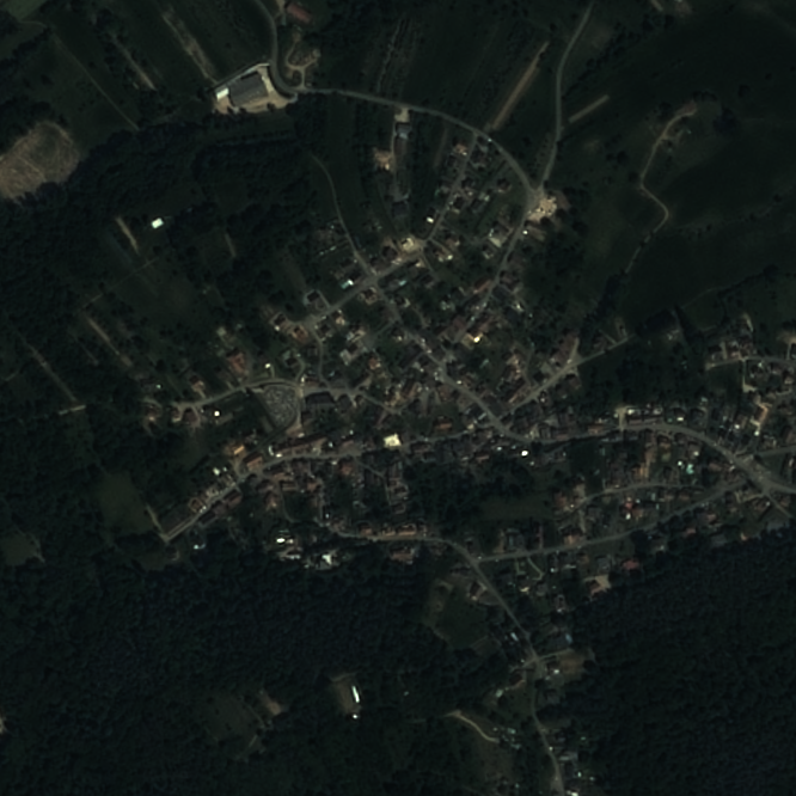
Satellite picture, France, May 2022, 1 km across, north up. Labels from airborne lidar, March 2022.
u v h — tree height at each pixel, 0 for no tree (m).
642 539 19
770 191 0
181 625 27
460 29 0
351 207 0
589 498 0
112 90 0
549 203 0
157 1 0
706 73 0
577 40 0
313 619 17
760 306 0
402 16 11
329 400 0
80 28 0
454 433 6
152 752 17
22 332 12
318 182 0
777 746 28
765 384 0
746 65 0
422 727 6
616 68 8
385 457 7
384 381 0
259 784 24
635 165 0
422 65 0
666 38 0
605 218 0
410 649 19
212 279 16
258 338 18
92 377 16
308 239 6
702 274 0
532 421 0
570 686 8
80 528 18
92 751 23
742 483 0
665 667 28
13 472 19
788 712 29
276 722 10
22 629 24
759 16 0
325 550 11
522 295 0
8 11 0
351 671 13
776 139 0
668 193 0
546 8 0
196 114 0
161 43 0
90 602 23
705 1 0
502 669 15
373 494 9
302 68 0
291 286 0
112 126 0
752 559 24
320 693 16
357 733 17
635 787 27
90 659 27
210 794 15
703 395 7
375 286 0
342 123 0
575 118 0
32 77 0
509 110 0
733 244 0
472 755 11
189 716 12
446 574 0
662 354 0
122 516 0
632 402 13
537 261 7
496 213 0
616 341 0
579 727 14
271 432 0
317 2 0
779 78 0
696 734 26
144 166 18
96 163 17
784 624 21
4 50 0
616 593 8
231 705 0
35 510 20
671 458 0
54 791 22
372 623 22
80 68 0
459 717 0
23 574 19
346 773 25
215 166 23
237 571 14
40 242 17
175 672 18
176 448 19
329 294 0
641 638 26
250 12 0
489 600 0
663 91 0
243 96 0
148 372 0
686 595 26
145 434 15
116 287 0
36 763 22
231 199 0
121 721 21
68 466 20
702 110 0
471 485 15
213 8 0
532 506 0
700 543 17
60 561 21
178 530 0
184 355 7
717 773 30
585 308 0
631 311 0
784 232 0
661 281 0
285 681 15
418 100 0
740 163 0
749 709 30
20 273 13
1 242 21
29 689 29
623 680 24
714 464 0
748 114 0
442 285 9
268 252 17
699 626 25
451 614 0
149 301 0
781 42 0
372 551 12
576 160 0
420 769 9
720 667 25
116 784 23
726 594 23
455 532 7
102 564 22
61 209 16
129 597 20
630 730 31
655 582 17
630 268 0
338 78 0
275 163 15
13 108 16
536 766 9
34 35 0
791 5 0
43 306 15
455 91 0
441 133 0
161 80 0
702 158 0
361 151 5
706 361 0
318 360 7
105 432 16
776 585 25
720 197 0
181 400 8
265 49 0
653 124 0
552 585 0
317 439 12
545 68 0
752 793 26
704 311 0
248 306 17
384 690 12
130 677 17
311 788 23
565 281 13
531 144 14
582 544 0
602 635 18
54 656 29
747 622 22
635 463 8
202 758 18
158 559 0
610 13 0
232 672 20
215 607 15
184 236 15
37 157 0
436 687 8
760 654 20
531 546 9
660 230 0
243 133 0
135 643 26
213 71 0
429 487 7
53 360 7
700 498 0
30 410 13
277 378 0
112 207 17
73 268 15
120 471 14
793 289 0
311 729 19
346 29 17
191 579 13
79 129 0
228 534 9
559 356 0
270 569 15
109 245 0
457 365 0
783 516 0
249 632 21
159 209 0
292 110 13
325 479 9
